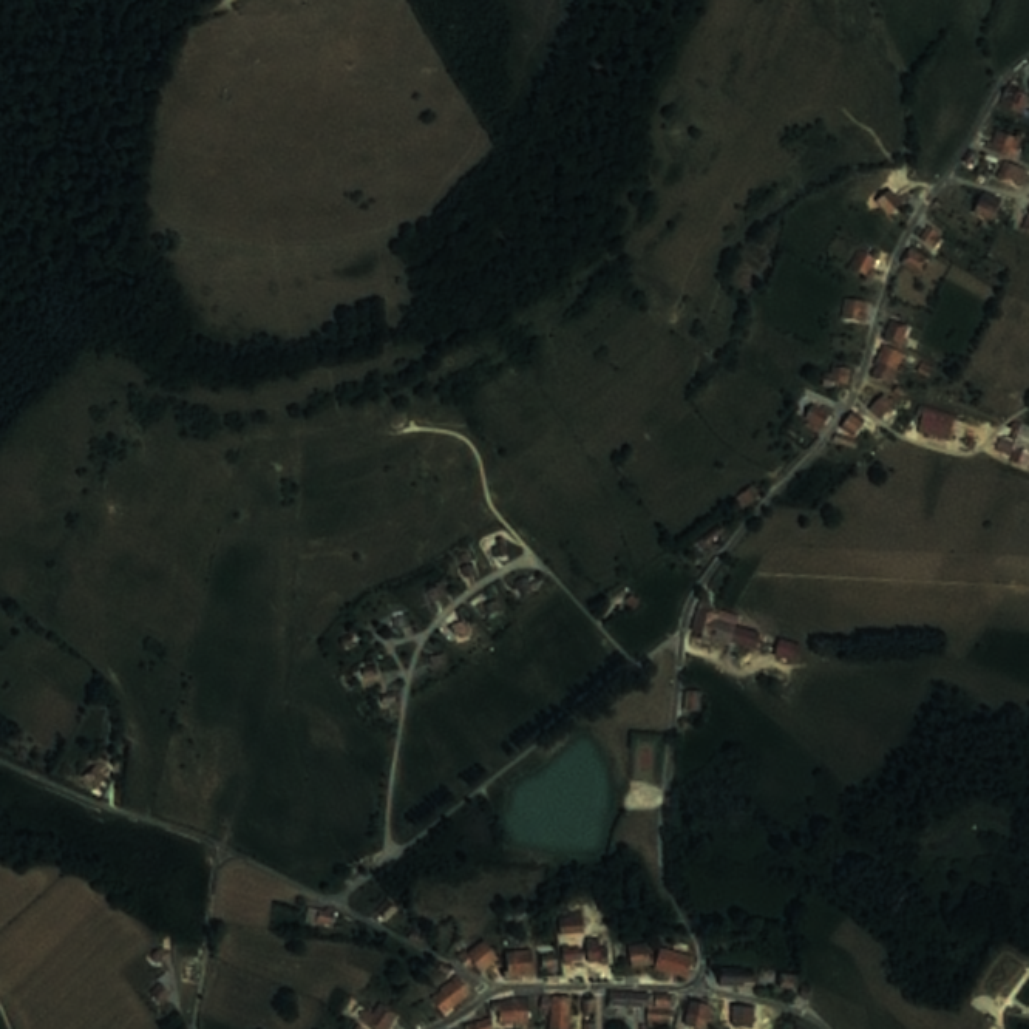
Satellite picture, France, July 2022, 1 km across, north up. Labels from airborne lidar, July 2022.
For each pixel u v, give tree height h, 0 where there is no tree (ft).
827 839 63
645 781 0
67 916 0
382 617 0
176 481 0
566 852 0
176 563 0
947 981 30
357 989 0
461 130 0
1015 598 0
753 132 0
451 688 0
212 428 32
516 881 0
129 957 0
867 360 0
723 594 24
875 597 0
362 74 0
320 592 0
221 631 0
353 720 0
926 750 59
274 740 0
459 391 53
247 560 0
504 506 0
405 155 0
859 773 0
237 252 0
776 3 0
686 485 0
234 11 0
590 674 0
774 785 0
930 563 0
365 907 0
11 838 28
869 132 0
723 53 0
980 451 0
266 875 0
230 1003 0
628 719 0
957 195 0
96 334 64
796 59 0
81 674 0
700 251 0
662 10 75
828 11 0
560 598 0
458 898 0
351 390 44
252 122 0
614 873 54
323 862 0
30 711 0
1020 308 0
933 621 0
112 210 85
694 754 0
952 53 0
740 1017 0
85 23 81
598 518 0
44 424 0
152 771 0
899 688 0
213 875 0
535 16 0
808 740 0
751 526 40
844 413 0
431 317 68
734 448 0
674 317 0
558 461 0
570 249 56
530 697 0
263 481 0
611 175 57
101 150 86
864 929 52
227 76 0
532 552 0
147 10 91
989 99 0
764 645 0
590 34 83
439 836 44
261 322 0
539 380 0
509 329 26
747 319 37
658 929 58
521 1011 0
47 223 36
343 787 0
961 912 48
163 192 0
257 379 62
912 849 41
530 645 0
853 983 0
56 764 40
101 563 0
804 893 23
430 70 0
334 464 0
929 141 0
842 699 0
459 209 54
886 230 0
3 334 56
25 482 0
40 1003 0
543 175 89
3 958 0
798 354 0
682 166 0
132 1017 0
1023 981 0
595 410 0
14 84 49
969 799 77
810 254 0
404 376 41
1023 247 0
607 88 88
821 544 0
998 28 0
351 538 0
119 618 0
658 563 0
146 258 50
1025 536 0
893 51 0
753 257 0
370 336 26
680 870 66
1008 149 0
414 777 0
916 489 0
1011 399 0
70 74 75
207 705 0
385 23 0
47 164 86
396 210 0
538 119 72
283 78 0
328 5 0
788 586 0
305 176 0
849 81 0
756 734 0
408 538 0
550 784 0
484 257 106
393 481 0
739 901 0
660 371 0
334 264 0
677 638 0
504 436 0
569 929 0
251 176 0
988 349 0
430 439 0
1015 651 0
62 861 41
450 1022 0
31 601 0
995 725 52
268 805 0
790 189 0
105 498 0
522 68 0
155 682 0
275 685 0
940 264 0
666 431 0
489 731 0
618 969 23
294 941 43
